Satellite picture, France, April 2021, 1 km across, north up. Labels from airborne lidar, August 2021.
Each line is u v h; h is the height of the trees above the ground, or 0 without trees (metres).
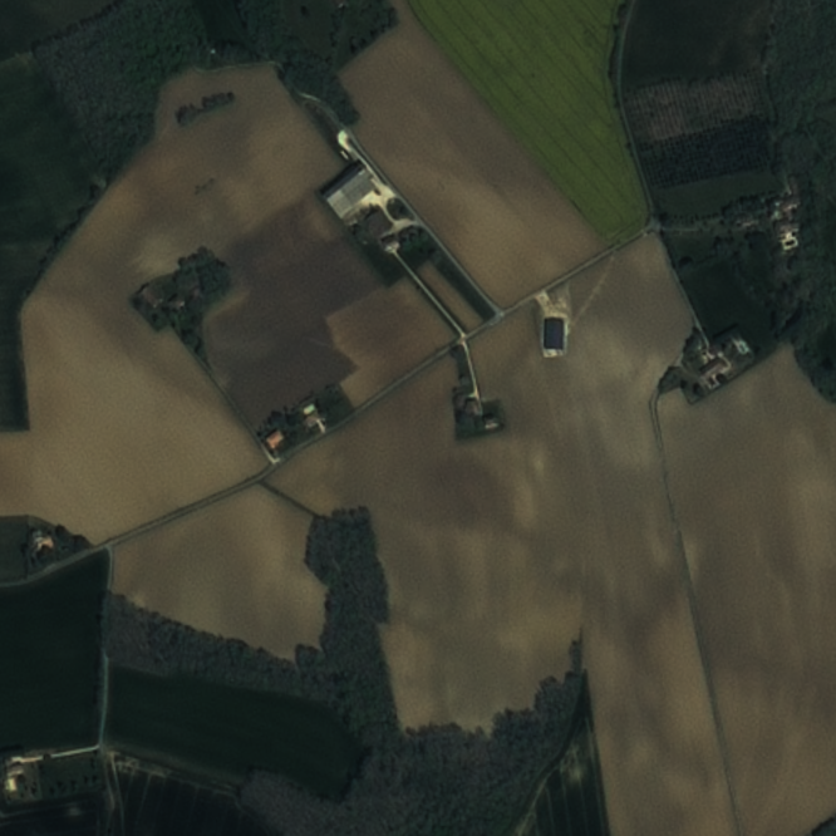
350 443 0
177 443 0
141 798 0
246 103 0
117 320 0
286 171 0
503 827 13
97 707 13
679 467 0
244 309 0
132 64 20
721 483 0
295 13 0
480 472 0
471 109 0
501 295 0
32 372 0
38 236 0
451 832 19
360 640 23
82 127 11
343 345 0
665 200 0
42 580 0
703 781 0
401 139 0
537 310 0
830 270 24
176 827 0
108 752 0
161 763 0
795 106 23
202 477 0
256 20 14
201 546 0
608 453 0
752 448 0
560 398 0
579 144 0
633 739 0
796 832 0
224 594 0
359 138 0
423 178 0
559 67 0
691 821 0
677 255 7
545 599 0
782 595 0
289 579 0
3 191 0
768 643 0
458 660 0
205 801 0
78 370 0
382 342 0
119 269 0
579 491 0
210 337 0
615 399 0
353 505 0
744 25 0
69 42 20
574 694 16
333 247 0
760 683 0
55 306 0
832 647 0
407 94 0
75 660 0
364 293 0
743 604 0
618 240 0
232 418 0
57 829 0
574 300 0
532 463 0
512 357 0
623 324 0
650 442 0
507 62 0
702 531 0
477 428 13
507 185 0
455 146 0
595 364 0
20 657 0
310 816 19
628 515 0
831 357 0
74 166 0
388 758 20
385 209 0
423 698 0
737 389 0
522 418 0
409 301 0
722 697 0
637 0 0
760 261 0
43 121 0
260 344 0
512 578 0
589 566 0
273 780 18
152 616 11
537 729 23
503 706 0
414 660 0
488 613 0
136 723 0
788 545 0
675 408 0
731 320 0
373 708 25
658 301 0
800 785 0
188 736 0
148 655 12
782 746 0
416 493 0
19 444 0
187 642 13
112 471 0
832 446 0
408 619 0
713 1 0
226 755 0
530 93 0
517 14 0
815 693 0
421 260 0
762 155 6
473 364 0
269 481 0
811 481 0
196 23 23
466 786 14
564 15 0
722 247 12
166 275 0
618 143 0
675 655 0
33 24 0
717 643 0
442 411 0
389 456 0
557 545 0
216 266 15
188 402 0
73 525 0
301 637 0
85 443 0
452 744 20
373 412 0
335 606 19
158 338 0
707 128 8
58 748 0
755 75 7
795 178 8
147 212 0
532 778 11
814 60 23
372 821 17
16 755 10
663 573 0
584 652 12
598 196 0
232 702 0
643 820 0
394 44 0
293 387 0
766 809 0
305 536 0
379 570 17
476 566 0
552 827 0
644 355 0
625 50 0
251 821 0
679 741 0
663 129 11
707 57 0
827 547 0
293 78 18
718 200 0
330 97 18
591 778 0
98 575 0
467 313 0
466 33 0
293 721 0
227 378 0
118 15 20
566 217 0
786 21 15
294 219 0
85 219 9
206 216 0
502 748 14
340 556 15
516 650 0
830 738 0
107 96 20
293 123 0
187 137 0
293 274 0
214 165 0
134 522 0
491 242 0
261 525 0
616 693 0
